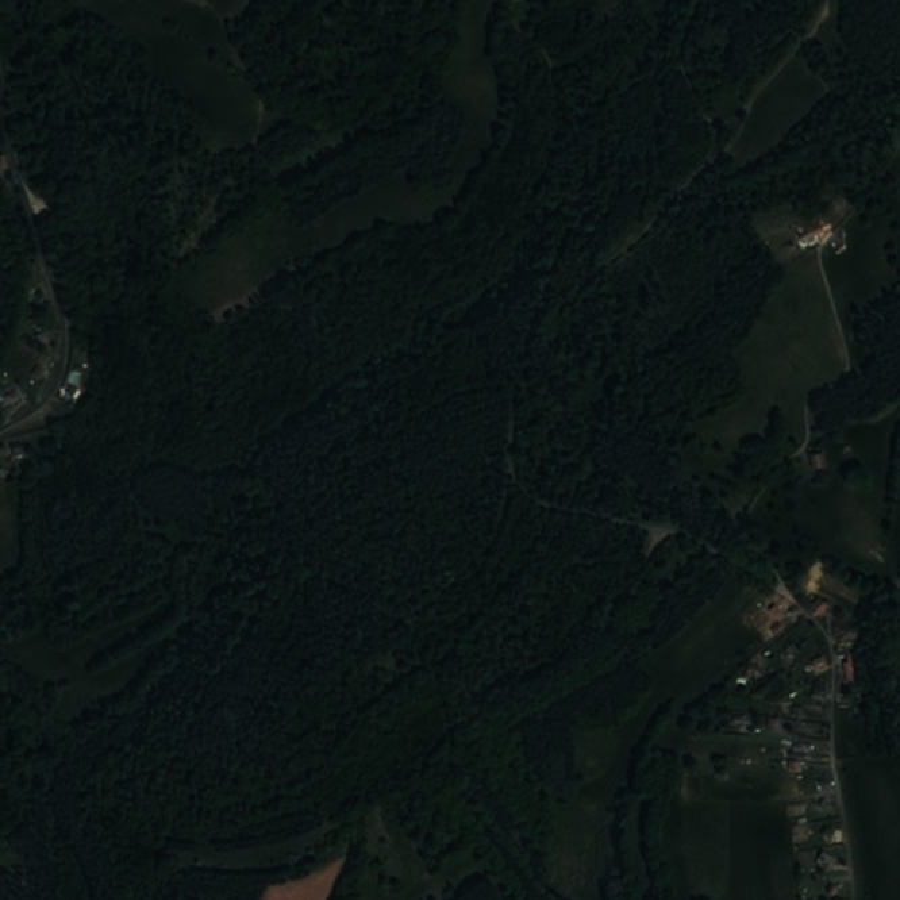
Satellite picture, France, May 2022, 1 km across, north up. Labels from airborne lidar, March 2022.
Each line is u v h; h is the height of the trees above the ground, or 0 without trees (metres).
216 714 23
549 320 18
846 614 13
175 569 21
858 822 0
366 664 15
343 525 16
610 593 13
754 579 12
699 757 9
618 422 30
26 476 18
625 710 22
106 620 16
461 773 24
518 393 7
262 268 0
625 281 7
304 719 17
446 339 18
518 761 17
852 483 21
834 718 0
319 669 18
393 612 22
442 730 8
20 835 27
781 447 14
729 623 0
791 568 8
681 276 9
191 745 22
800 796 0
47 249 21
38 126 16
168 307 12
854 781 0
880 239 0
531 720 17
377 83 21
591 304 24
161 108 26
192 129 18
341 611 22
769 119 0
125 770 21
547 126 19
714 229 28
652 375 16
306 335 18
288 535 24
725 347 24
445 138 17
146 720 28
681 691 0
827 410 18
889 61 11
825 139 24
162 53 0
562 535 14
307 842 0
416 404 11
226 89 0
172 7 0
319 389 10
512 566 9
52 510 24
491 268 16
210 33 0
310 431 29
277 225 0
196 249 20
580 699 18
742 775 0
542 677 28
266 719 20
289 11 19
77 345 7
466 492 11
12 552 0
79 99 29
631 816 11
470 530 11
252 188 15
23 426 0
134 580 20
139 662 0
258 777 17
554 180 21
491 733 19
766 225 0
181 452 12
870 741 7
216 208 16
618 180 18
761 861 0
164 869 14
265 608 23
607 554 11
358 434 7
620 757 0
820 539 0
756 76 0
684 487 19
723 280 9
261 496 27
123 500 27
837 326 0
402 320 14
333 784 9
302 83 12
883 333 23
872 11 13
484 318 28
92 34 23
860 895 0
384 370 23
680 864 0
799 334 0
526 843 19
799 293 0
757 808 0
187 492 31
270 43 19
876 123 21
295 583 25
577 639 25
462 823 18
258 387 13
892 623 33
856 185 23
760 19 17
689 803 0
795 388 0
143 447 19
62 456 20
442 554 17
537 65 9
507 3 15
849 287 0
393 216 0
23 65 22
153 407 18
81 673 0
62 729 23
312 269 7
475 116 0
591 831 0
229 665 22
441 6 23
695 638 0
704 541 9
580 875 0
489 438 9
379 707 17
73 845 26
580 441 26
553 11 9
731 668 0
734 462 0
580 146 24
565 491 18
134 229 26
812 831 0
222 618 22
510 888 14
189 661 23
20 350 0
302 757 14
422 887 0
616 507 7
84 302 22
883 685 17
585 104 10
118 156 30
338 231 0
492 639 18
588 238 20
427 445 15
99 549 26
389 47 16
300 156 16
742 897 0
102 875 29
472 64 0
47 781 24
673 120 19
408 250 14
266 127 0
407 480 13
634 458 29
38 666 0
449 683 27
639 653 15
